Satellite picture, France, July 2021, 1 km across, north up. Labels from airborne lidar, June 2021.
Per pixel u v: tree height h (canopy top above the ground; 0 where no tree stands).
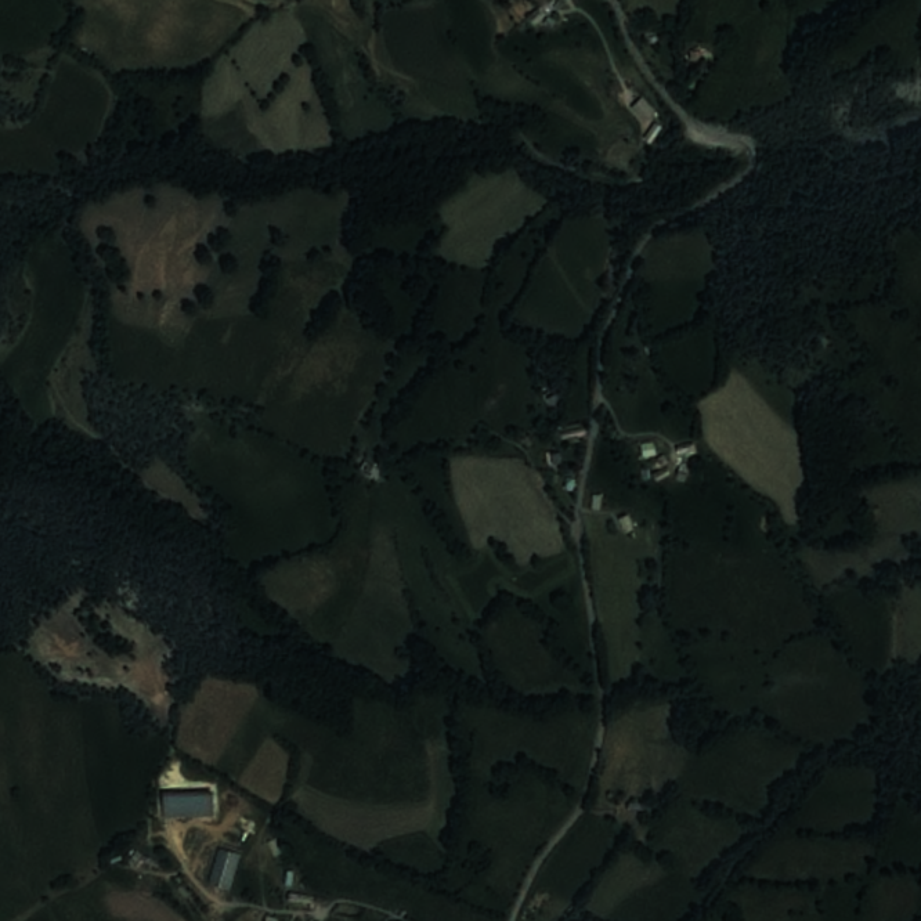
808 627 0
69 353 0
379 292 25
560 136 0
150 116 18
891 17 0
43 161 0
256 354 0
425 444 12
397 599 0
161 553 15
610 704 17
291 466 0
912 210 17
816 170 11
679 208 18
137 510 20
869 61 16
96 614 12
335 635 0
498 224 0
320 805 0
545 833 0
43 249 0
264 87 0
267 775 0
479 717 0
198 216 0
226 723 0
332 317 17
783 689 0
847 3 17
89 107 0
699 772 0
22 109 7
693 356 0
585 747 0
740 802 0
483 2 0
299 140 0
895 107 7
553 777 13
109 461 15
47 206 12
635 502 0
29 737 0
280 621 18
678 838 0
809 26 21
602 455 0
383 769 0
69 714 0
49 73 7
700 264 0
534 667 0
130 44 0
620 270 15
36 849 0
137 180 16
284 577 0
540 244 10
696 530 0
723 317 20
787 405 0
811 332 14
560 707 18
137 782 0
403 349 16
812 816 0
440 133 24
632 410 0
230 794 0
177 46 0
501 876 0
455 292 0
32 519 8
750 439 0
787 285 19
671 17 11
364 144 16
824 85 14
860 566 0
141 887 0
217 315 0
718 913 11
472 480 0
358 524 0
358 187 26
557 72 0
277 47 0
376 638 0
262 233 0
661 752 0
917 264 0
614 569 0
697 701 21
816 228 21
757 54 0
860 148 9
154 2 0
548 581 0
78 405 0
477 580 0
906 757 17
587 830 0
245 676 13
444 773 0
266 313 18
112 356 6
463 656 0
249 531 0
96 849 0
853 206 18
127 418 8
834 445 36
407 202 21
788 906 0
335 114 16
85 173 13
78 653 0
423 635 8
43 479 17
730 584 0
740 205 9
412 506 0
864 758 18
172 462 8
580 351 9
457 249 0
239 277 0
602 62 0
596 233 0
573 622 0
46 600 12
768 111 10
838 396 19
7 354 0
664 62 0
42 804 0
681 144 10
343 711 24
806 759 19
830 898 0
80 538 11
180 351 0
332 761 0
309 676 27
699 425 6
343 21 0
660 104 9
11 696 0
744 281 19
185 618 9
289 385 0
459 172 24
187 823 0
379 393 11
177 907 9
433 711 0
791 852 0
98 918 0
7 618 17
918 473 10
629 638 0
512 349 0
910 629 0
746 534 0
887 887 0
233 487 0
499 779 14
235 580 21
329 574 0
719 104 0
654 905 0
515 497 0
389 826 0
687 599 0
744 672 0
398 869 14
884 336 0
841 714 0
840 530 0
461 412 0
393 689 22
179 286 0
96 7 0
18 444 16
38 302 0
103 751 0
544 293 0
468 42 0
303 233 0
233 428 8
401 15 0
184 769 0
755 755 0
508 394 0
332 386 0
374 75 10
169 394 6
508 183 0
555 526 0
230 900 0
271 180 29
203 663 14
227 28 0
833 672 0
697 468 18
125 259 11
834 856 0
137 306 0
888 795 17
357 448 10
